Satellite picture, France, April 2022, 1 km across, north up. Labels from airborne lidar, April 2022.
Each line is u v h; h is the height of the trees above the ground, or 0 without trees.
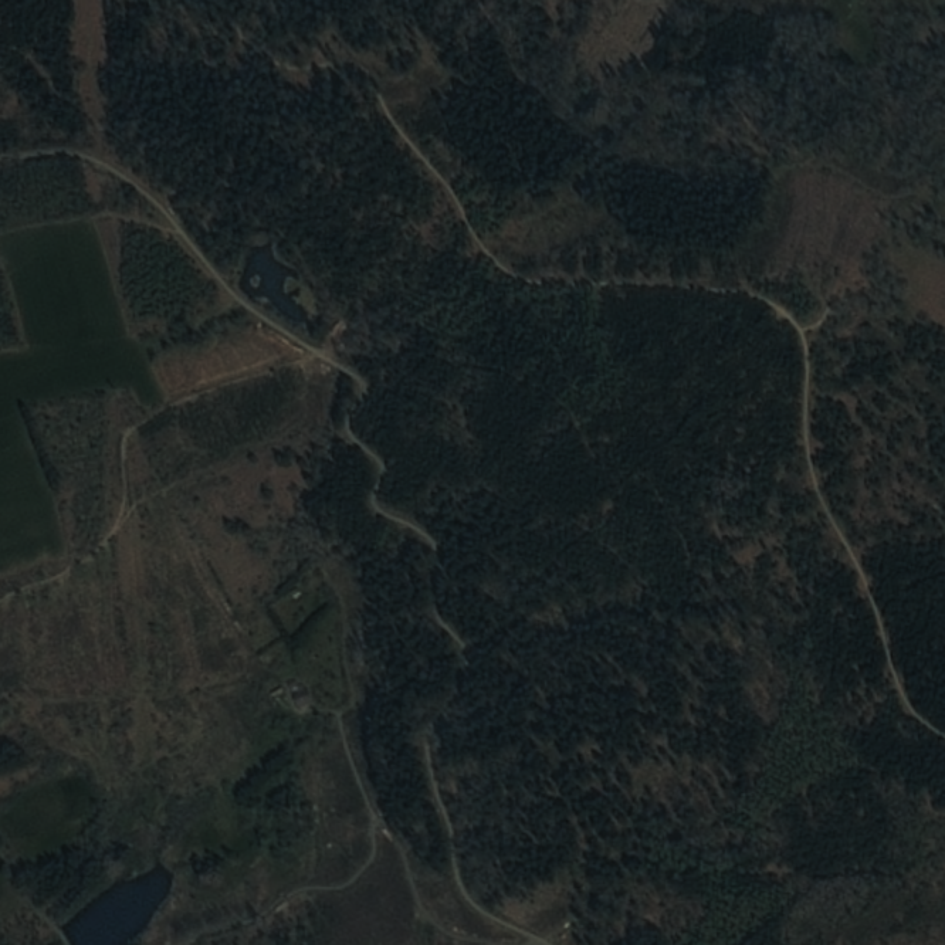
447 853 24
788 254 0
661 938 34
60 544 0
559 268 6
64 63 13
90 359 0
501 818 24
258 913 0
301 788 17
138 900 0
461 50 16
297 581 13
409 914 0
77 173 9
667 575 14
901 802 13
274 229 20
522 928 0
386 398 11
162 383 0
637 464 9
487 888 20
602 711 19
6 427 0
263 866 0
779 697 7
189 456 0
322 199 7
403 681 26
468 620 22
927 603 11
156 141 18
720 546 8
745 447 7
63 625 0
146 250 11
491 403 13
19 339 7
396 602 25
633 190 26
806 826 13
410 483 13
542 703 27
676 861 27
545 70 21
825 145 23
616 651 17
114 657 0
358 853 0
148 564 0
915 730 9
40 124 7
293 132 30
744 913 19
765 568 8
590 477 15
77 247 0
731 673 21
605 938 34
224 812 0
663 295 7
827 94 31
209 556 0
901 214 0
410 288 11
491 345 12
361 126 14
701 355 6
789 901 19
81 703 0
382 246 8
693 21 31
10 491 0
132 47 15
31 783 9
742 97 31
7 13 9
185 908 0
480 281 13
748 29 15
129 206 6
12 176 9
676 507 13
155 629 11
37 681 0
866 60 0
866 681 8
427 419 12
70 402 7
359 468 14
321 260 10
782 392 9
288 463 23
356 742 0
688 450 7
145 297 10
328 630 0
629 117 25
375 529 14
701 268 7
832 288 0
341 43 0
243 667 0
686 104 34
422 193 14
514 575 6
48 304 0
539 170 28
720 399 9
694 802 24
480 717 13
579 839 27
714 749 24
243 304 0
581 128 28
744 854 22
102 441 7
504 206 13
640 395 5
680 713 24
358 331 24
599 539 5
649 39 0
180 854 0
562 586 18
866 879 22
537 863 23
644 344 8
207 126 25
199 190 17
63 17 8
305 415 0
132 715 9
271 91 29
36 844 0
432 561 24
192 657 0
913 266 0
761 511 12
